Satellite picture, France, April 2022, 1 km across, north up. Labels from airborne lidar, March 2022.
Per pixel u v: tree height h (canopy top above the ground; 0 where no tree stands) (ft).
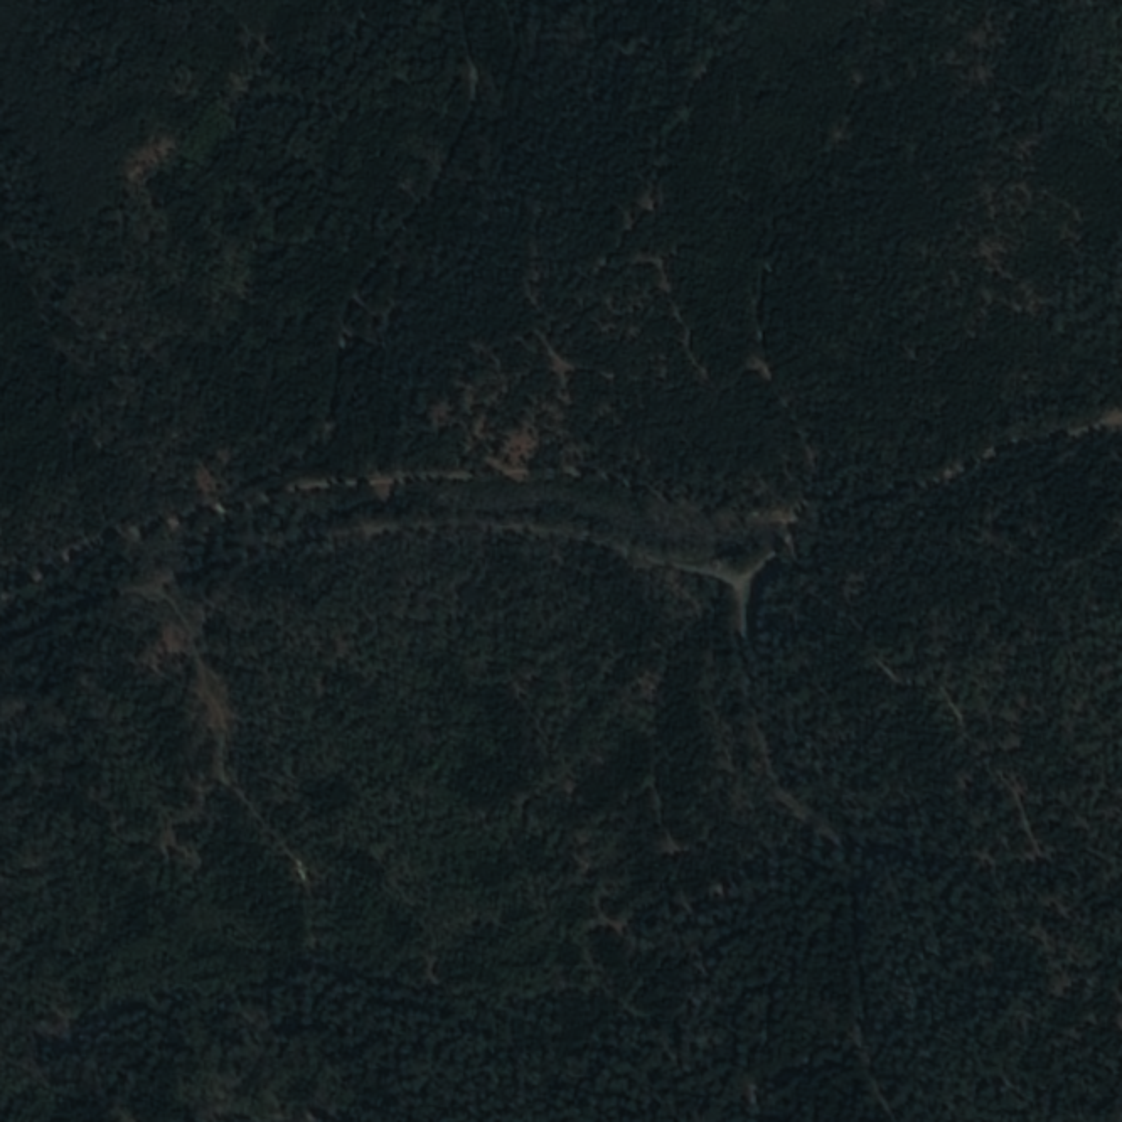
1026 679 40
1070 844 25
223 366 51
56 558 41
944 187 19
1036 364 24
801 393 26
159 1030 85
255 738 35
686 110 41
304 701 41
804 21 53
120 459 28
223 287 50
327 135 83
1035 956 35
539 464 43
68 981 46
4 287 54
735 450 37
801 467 28
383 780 31
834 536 83
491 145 61
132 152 53
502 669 34
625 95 43
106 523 35
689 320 37
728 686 46
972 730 35
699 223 58
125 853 42
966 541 26
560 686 41
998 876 27
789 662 81
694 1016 44
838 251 23
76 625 88
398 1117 92
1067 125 57
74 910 39
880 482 91
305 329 78
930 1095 76
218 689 0
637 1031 33
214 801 33
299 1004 107
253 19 47
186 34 65
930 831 51
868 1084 50
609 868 46
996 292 46
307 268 62
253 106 68
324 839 33
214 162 67
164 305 31
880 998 86
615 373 31
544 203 32
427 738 52
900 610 38
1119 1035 40
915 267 21
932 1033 73
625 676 44
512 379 22
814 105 41
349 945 51
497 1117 46
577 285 32
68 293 75
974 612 34
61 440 49
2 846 26
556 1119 92
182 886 48
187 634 41
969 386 41
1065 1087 40
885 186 37
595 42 29
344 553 40
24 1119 48
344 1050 31
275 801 25
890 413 36
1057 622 36
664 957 58
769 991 38
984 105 25
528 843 36
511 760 35
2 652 59
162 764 42
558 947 43
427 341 22
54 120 63
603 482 41
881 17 61
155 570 28
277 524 100
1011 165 38
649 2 48
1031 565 33
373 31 73
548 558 33
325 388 71
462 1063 97
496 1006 39
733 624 61
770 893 99
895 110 26
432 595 37
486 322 29
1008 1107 77
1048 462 40
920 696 44
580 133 31
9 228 80
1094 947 42
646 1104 101
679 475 44
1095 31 49
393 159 69
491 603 40
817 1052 65
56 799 34
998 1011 27
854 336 29
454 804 49
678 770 28
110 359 31
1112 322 88
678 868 45
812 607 44
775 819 50
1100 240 36
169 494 42
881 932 96
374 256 61
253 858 33
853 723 29
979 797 26
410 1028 26
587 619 47
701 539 53
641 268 31
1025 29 46
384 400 52
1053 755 28
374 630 37
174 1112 61
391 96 47
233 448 37
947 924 38
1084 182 39
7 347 42
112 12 56
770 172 55
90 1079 108
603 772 35
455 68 86
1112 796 30
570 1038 37
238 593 43
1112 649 34
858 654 36
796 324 43
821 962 103
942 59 25
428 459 44
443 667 44
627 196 48
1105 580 31
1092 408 63
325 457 63
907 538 30
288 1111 48
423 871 55
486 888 38
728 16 35
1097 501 45
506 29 63
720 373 48
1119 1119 109
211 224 41
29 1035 37
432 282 45
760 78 55
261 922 43
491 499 22
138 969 51
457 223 37
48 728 43
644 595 47
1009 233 20
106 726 39
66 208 61
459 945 37
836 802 33
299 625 40
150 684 35
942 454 27
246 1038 43
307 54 48
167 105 33
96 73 38
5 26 57
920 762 35
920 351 45
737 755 40
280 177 36
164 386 41
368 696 40
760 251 55
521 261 34
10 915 22
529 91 38
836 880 95
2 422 61
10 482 51
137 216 58
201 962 45
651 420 39
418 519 49
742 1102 84
